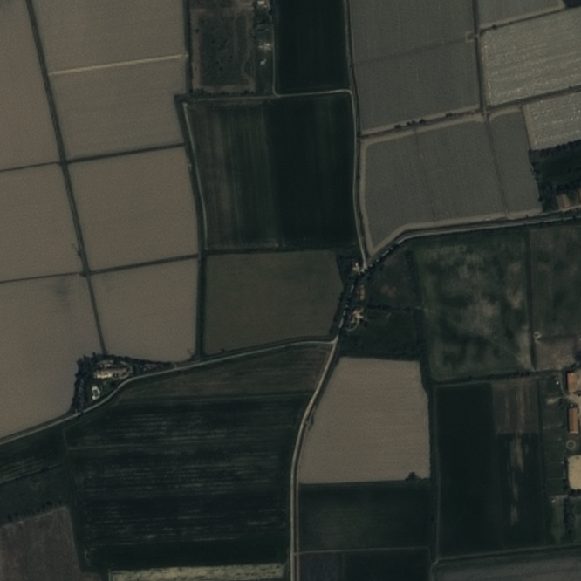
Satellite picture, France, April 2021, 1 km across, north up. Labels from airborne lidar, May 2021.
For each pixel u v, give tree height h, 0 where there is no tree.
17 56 0
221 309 0
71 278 0
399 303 0
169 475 0
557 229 0
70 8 0
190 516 0
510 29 0
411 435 0
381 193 0
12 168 0
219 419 0
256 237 0
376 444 0
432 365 0
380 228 0
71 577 0
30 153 0
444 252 0
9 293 0
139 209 0
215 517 0
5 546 0
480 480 0
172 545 0
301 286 0
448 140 0
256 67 0
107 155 0
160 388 0
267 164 0
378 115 0
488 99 0
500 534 0
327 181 0
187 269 0
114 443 0
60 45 0
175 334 0
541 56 0
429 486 0
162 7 0
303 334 0
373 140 0
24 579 0
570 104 0
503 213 0
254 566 0
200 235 0
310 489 0
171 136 0
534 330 0
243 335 0
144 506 0
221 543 0
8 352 0
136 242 0
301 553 0
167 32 0
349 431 0
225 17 0
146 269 0
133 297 0
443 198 0
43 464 0
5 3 0
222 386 0
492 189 0
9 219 0
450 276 0
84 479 0
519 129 0
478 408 0
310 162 0
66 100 0
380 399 0
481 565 0
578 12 0
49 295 0
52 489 0
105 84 0
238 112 0
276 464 0
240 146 0
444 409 0
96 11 0
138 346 0
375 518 0
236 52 0
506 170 0
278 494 0
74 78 0
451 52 0
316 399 0
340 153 0
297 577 0
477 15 0
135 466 0
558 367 0
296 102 0
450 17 0
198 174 0
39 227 0
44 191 0
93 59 0
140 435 0
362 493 0
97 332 0
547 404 0
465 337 0
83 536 0
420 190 0
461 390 0
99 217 0
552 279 0
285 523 0
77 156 0
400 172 0
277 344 0
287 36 0
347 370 0
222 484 0
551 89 0
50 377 0
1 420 0
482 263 0
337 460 0
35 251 0
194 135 0
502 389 0
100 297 0
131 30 0
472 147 0
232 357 0
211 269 0
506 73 0
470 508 0
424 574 0
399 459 0
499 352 0
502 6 0
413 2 0
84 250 0
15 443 0
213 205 0
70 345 0
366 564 0
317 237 0
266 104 0
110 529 0
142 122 0
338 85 0
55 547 0
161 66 0
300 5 0
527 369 0
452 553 0
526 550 0
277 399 0
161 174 0
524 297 0
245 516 0
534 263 0
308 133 0
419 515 0
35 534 0
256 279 0
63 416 0
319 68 0
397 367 0
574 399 0
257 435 0
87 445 0
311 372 0
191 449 0
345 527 0
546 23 0
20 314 0
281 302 0
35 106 0
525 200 0
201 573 0
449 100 0
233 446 0
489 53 0
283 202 0
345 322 6
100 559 0
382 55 0
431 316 0
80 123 0
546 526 0
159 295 0
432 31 0
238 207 0
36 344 0
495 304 0
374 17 0
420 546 0
